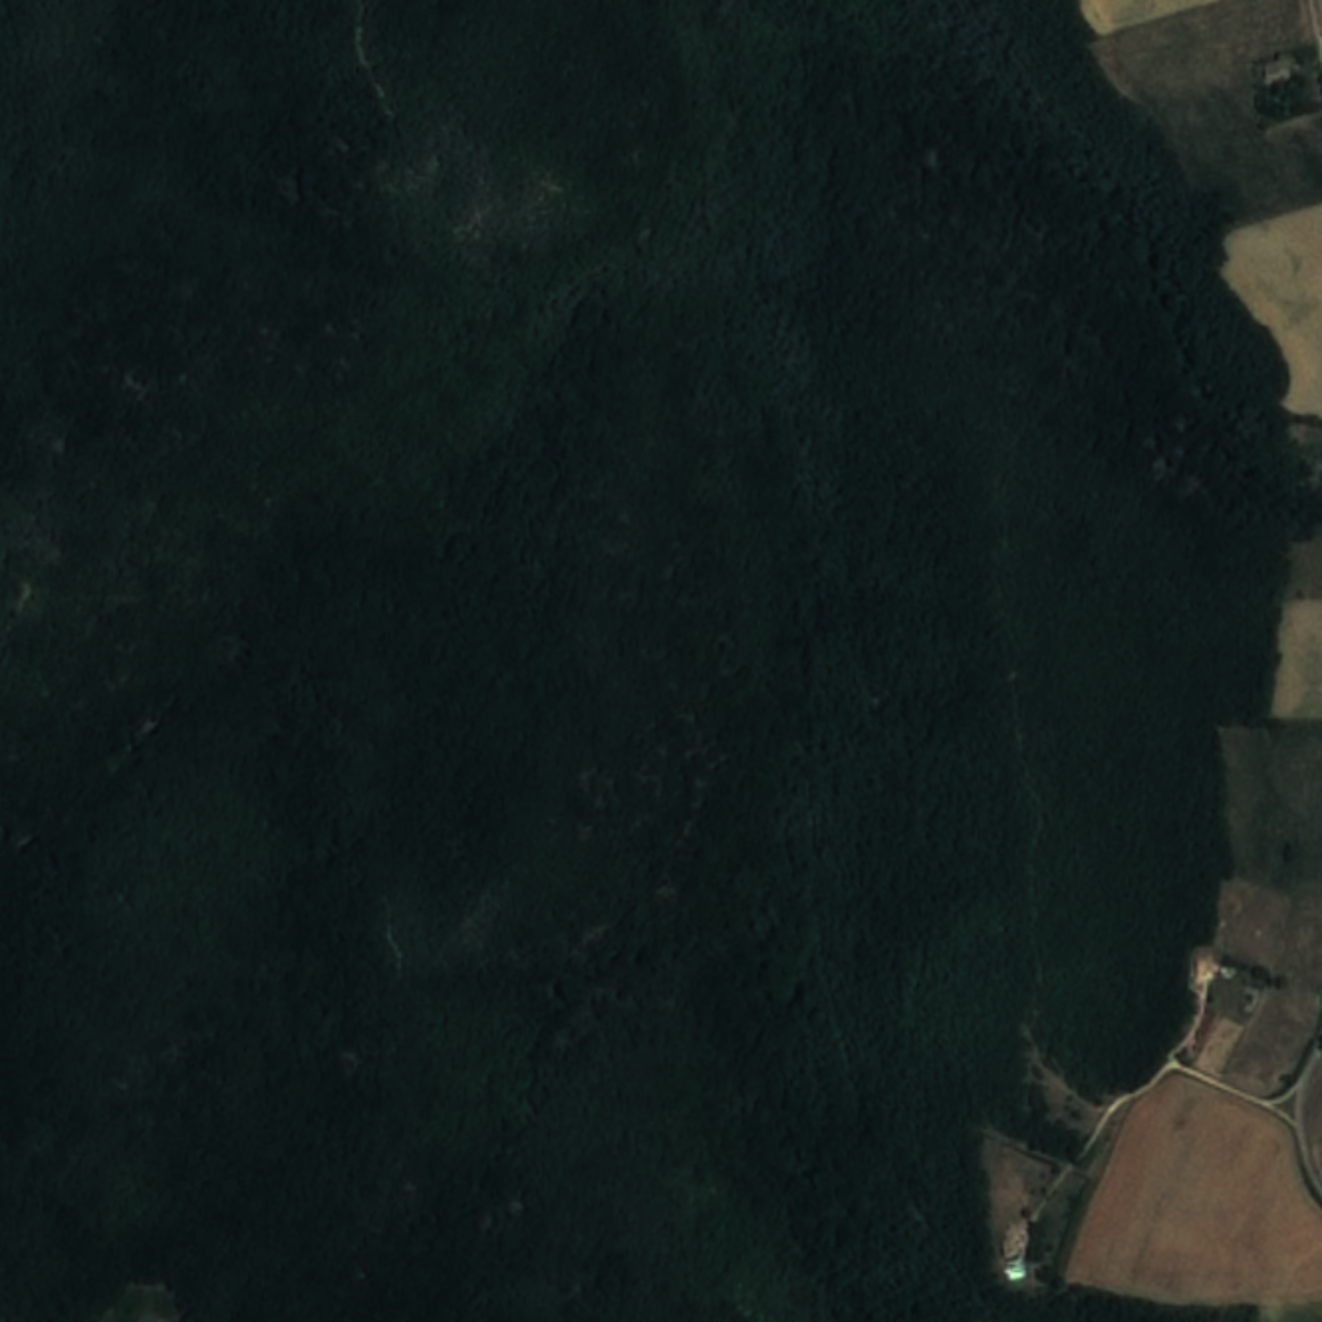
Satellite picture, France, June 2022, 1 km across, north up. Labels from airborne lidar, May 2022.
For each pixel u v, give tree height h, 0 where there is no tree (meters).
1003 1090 9
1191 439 17
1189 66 0
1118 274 13
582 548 8
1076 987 9
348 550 22
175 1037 7
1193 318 12
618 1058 7
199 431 12
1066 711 11
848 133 7
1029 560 7
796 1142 17
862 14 13
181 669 7
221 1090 11
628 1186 11
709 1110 12
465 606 9
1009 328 9
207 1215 21
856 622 11
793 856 11
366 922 9
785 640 17
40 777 8
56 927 12
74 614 6
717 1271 6
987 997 6
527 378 7
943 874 10
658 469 6
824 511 7
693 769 12
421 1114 8
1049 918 8
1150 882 11
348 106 15
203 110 11
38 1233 7
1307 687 0
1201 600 10
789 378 8
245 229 7
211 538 11
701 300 15
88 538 8
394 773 10
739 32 10
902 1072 10
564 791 6
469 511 12
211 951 7
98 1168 8
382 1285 17
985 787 7
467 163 7
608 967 23
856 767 9
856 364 6
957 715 11
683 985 8
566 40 11
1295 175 0
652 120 13
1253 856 0
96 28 7
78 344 10
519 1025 12
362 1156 7
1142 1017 12
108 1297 14
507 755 7
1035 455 7
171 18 13
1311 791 0
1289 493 12
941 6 11
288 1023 13
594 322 17
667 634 7
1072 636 12
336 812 9
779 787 11
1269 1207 0
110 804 11
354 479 11
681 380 11
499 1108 12
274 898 14
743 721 14
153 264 11
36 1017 7
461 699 9
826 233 7
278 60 15
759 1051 18
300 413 6
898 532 10
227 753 12
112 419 9
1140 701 11
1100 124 10
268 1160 17
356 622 10
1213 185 0
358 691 7
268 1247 10
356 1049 12
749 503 12
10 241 6
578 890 7
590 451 12
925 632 7
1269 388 11
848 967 9
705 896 14
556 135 9
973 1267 11
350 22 6
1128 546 10
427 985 8
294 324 7
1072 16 11
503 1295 9
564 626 8
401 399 10
